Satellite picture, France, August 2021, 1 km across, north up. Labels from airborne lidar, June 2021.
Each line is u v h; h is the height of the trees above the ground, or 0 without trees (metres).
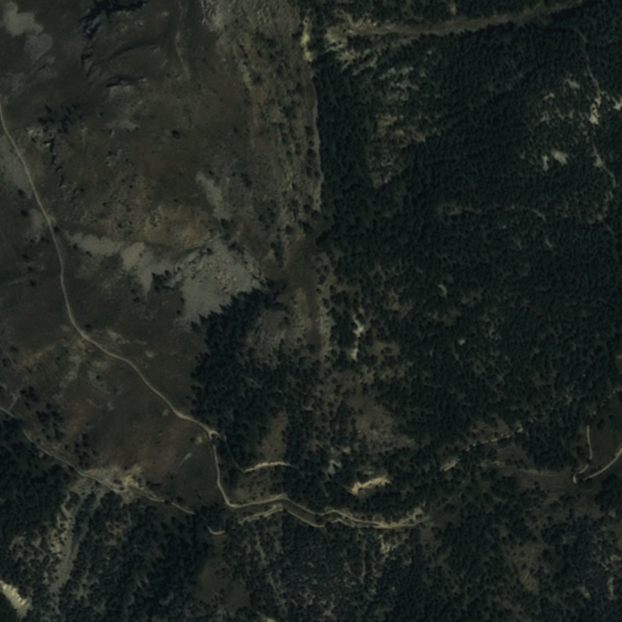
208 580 0
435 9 16
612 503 14
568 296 16
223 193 0
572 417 16
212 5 0
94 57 0
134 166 0
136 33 0
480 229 13
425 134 7
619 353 20
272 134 0
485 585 18
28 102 0
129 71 0
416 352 15
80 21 0
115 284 0
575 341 19
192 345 0
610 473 0
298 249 0
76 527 8
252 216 0
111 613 15
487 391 21
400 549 12
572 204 14
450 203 15
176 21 0
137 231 0
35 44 0
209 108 0
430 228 21
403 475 22
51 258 0
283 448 0
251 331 11
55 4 0
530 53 18
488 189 18
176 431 0
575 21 20
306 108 0
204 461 0
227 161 0
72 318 0
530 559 0
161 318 0
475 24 0
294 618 17
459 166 17
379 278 16
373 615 8
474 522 19
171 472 0
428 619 17
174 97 0
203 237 0
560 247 18
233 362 19
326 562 12
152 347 0
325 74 15
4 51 0
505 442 17
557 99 10
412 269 16
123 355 0
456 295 20
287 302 0
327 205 14
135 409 0
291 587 12
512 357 13
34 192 0
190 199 0
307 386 8
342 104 23
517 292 14
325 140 20
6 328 0
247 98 0
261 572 6
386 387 9
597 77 17
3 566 16
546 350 24
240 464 18
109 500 9
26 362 0
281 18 0
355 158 17
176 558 25
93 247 0
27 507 19
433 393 20
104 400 0
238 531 8
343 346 19
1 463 11
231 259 0
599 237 19
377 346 0
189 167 0
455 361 22
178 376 0
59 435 15
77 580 7
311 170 10
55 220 0
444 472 9
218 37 0
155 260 0
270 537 12
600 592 11
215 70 0
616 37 12
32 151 0
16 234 0
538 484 9
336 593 7
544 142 13
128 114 0
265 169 0
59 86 0
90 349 0
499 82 7
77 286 0
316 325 0
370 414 0
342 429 9
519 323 19
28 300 0
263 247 0
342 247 14
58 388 0
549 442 17
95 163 0
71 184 0
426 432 17
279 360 11
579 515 0
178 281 0
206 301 0
